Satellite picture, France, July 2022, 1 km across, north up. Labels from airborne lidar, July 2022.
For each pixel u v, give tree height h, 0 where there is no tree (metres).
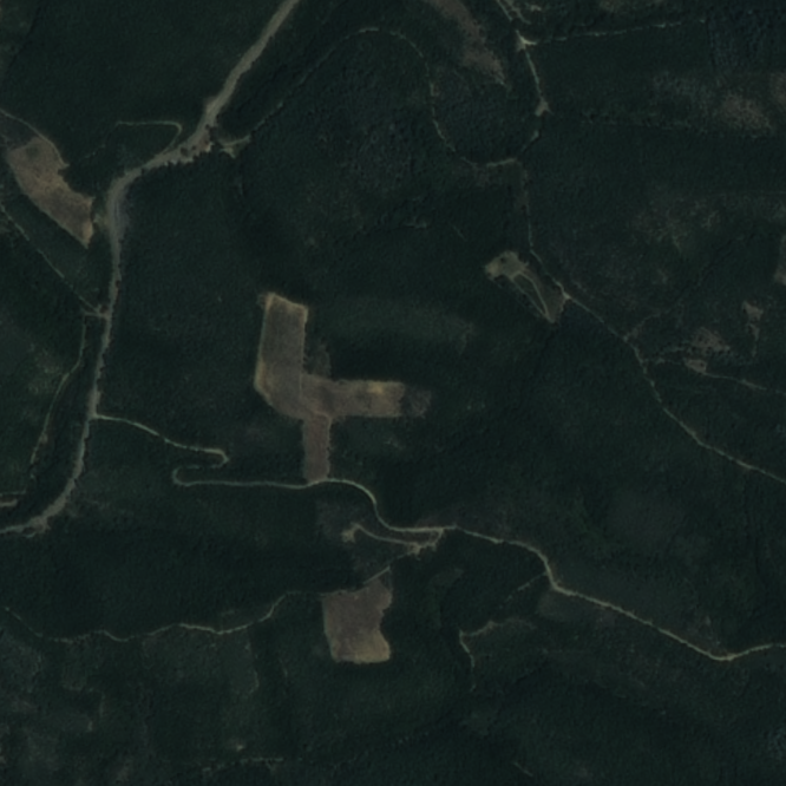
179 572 12
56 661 10
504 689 12
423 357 10
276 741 7
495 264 0
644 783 13
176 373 9
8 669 10
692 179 10
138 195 8
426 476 9
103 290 13
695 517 12
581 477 16
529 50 8
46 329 12
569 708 10
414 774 8
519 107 8
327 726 7
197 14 8
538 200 9
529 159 13
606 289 6
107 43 8
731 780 15
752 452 6
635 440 9
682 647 7
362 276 9
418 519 5
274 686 13
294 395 0
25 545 10
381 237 13
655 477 6
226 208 10
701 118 8
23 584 12
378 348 11
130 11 10
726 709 9
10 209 7
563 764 7
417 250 10
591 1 7
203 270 6
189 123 6
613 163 8
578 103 10
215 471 9
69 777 10
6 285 12
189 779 10
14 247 8
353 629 0
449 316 8
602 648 9
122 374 9
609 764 12
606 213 7
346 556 12
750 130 8
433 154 11
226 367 7
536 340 8
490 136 9
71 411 8
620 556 8
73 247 6
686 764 13
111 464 9
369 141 12
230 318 5
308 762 11
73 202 0
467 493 11
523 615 8
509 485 7
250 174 8
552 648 9
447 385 9
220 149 12
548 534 6
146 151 6
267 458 8
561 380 6
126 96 6
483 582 7
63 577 11
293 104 9
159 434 9
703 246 7
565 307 9
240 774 7
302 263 7
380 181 7
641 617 10
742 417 6
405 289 10
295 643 6
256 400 11
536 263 11
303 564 8
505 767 20
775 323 8
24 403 10
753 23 20
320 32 9
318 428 0
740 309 7
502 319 6
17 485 7
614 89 8
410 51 10
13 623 8
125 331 9
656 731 15
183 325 8
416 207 17
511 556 9
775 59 11
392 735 10
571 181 8
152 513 12
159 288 7
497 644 8
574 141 8
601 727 13
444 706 12
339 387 0
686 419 7
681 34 8
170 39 8
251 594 9
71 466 6
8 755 7
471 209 11
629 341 7
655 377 12
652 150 6
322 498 7
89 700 10
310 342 9
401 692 7
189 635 7
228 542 10
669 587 7
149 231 7
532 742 7
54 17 15
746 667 6
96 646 8
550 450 16
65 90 8
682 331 7
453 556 12
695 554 13
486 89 14
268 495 6
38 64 14
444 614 12
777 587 7
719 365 7
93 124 6
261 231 8
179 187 6
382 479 11
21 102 7
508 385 9
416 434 9
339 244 13
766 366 11
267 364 0
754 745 11
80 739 12
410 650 15
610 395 7
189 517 7
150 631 8
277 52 7
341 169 7
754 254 8
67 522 8
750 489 9
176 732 8
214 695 8
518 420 13
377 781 8
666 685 6
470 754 16
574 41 9
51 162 0
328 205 8
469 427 12
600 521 11
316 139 9
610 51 10
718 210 8
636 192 7
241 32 7
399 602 10
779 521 10
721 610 10
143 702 8
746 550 12
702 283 6
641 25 8
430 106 7
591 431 9
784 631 12
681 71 7
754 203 9
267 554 7
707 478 8
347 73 18
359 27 7
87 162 10
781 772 10
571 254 6
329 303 5
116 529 7
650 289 9
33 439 8
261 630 8
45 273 8
